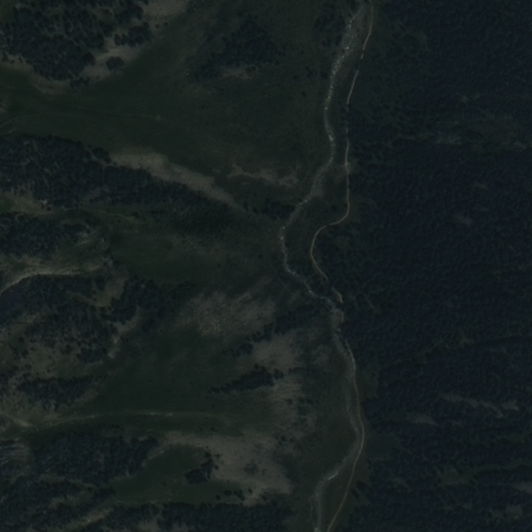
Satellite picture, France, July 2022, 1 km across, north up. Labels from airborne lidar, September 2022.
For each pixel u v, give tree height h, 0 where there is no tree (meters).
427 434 22
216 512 26
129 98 0
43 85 0
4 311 8
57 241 28
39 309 11
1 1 11
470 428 29
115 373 0
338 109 0
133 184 23
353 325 16
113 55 0
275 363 0
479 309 28
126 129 0
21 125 0
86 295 12
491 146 7
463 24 25
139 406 0
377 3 0
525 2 15
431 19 23
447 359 16
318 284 17
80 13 7
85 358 12
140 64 0
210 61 14
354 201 0
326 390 0
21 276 0
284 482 0
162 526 29
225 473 0
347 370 0
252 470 0
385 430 10
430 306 22
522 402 23
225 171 0
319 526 0
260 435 0
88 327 10
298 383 0
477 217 19
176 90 0
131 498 0
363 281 27
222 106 0
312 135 0
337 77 0
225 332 0
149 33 7
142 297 19
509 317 13
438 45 21
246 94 0
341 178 0
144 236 0
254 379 14
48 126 0
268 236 0
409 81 11
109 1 13
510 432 17
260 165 0
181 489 0
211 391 9
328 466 0
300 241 0
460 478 0
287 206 13
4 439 0
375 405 30
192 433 0
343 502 0
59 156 32
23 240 14
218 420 0
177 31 0
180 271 0
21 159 14
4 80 0
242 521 9
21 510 13
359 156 16
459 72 10
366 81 6
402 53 16
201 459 0
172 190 18
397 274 32
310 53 0
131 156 0
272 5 0
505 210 12
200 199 20
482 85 17
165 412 0
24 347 0
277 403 0
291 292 0
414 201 22
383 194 20
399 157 10
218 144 0
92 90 0
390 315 21
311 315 20
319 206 0
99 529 11
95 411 0
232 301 0
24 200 0
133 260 0
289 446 0
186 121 0
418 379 16
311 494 0
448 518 32
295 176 0
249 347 14
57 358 6
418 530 20
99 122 0
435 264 30
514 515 0
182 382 0
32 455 0
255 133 0
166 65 0
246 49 16
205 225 6
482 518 17
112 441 12
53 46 24
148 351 0
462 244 20
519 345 20
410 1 32
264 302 0
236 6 0
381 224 15
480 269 15
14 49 17
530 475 16
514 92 10
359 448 0
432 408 25
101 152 19
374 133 16
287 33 0
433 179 25
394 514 25
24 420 0
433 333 15
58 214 0
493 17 15
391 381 15
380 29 0
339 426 0
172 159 0
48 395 11
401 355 21
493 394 23
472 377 20
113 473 24
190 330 0
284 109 0
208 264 0
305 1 0
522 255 23
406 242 16
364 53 10
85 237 0
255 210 10
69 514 14
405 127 15
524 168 12
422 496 29
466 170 18
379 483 23
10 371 7
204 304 0
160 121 0
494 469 0
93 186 29
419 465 22
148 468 0
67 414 0
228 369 0
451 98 15
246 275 0
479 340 14
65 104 0
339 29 12
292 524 0
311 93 0
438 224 10
